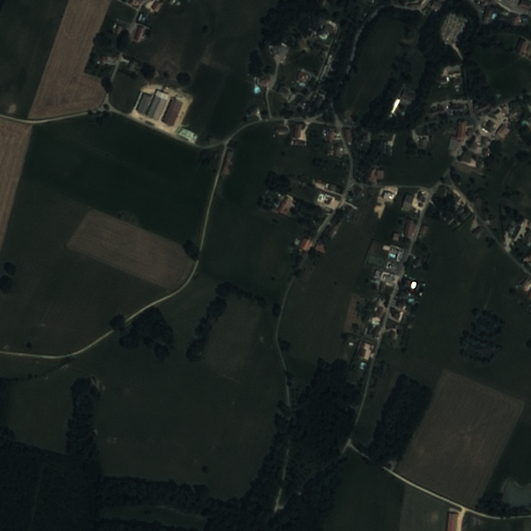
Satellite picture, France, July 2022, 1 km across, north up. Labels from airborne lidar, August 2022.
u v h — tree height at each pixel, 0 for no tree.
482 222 0
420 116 20
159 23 0
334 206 0
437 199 7
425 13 0
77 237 0
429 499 0
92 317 0
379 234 0
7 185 0
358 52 7
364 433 0
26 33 0
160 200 0
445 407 0
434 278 0
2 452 19
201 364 0
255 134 0
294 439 10
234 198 0
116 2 0
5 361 0
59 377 0
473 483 0
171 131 0
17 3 0
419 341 0
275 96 0
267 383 0
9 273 13
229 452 0
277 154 0
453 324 0
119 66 0
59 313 0
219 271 0
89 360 0
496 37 12
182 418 0
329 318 0
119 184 0
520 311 0
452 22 0
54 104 0
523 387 0
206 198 0
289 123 0
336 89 17
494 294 0
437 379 0
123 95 0
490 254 0
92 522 10
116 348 0
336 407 19
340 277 0
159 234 0
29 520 16
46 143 0
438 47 25
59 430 0
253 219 0
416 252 0
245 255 0
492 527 0
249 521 20
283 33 16
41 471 6
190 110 0
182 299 0
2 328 0
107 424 0
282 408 20
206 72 0
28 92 0
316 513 24
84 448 27
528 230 10
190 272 0
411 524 0
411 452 0
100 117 9
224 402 0
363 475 0
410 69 15
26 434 0
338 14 12
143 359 0
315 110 15
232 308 0
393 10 23
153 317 22
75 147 0
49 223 0
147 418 0
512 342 0
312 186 8
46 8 0
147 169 0
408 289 19
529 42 0
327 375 26
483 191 6
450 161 0
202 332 21
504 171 0
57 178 0
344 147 0
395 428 17
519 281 0
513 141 0
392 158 0
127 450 0
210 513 25
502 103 0
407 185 0
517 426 0
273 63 0
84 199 0
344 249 0
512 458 0
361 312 7
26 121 0
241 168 0
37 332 0
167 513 0
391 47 0
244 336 0
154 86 0
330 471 17
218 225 0
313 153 0
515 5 0
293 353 0
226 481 0
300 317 0
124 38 20
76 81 0
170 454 0
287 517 20
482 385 0
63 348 0
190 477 0
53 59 0
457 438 0
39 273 0
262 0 0
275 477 26
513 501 0
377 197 0
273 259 0
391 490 0
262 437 0
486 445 0
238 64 0
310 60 0
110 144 0
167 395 0
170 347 17
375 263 0
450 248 0
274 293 0
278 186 15
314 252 12
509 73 0
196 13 0
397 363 0
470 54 20
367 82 0
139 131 0
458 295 0
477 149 0
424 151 7
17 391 0
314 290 0
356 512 0
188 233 0
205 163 14
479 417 0
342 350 0
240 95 0
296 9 19
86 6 0
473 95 7
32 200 0
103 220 0
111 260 0
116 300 0
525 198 0
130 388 0
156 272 0
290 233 0
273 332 0
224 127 0
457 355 0
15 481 17
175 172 0
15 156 0
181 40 0
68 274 0
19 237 0
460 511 0
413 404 24
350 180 0
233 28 0
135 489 21
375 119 23
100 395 10
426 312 0
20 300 0
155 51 0
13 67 0
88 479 10
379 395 0
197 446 0
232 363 0
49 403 0
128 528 24
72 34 0
